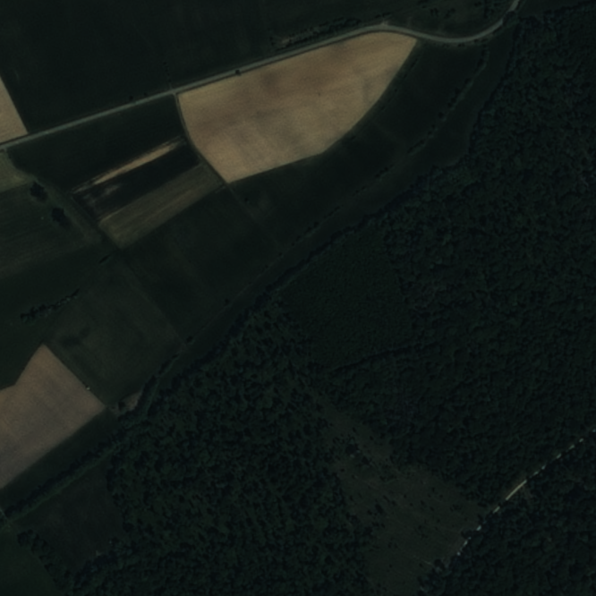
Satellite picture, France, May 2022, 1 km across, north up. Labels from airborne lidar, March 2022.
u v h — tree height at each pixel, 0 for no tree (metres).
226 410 21
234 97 0
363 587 22
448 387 14
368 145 0
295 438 0
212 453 25
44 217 0
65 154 0
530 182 25
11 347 0
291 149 0
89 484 0
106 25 0
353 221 0
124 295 0
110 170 0
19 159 0
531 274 26
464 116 0
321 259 11
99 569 26
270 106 0
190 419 28
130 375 0
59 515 0
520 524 22
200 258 0
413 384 26
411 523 0
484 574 26
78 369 0
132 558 29
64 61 0
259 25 0
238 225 0
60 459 0
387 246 23
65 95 0
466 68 0
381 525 0
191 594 21
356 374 23
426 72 0
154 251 0
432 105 0
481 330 30
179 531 23
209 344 0
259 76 0
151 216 0
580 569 24
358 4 0
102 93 0
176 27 0
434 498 0
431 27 0
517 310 24
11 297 0
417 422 22
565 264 23
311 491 27
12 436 0
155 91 0
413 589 0
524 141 23
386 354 23
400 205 21
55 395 0
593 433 0
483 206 27
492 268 26
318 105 0
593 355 22
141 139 0
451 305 20
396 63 0
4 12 0
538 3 0
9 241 0
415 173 0
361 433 0
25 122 0
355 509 0
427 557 0
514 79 16
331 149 0
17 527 0
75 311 0
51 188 0
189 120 0
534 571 24
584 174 0
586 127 24
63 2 0
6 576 0
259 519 0
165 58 0
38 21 0
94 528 0
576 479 0
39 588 0
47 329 0
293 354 26
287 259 0
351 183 0
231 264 0
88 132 0
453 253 24
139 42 0
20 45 0
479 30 0
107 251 0
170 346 0
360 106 0
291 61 0
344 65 0
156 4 0
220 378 26
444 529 0
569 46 22
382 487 0
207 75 0
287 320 22
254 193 0
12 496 0
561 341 25
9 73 0
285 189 0
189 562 23
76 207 0
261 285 0
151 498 22
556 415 22
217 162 0
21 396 0
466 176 18
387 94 0
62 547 0
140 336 0
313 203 0
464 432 17
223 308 0
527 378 23
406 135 0
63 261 0
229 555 23
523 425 26
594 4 12
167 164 0
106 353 0
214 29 0
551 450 27
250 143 0
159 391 0
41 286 0
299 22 0
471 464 24
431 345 30
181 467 25
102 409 0
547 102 24
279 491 19
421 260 32
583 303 27
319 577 25
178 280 0
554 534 29
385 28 0
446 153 0
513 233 25
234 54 0
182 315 0
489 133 22
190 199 0
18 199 0
